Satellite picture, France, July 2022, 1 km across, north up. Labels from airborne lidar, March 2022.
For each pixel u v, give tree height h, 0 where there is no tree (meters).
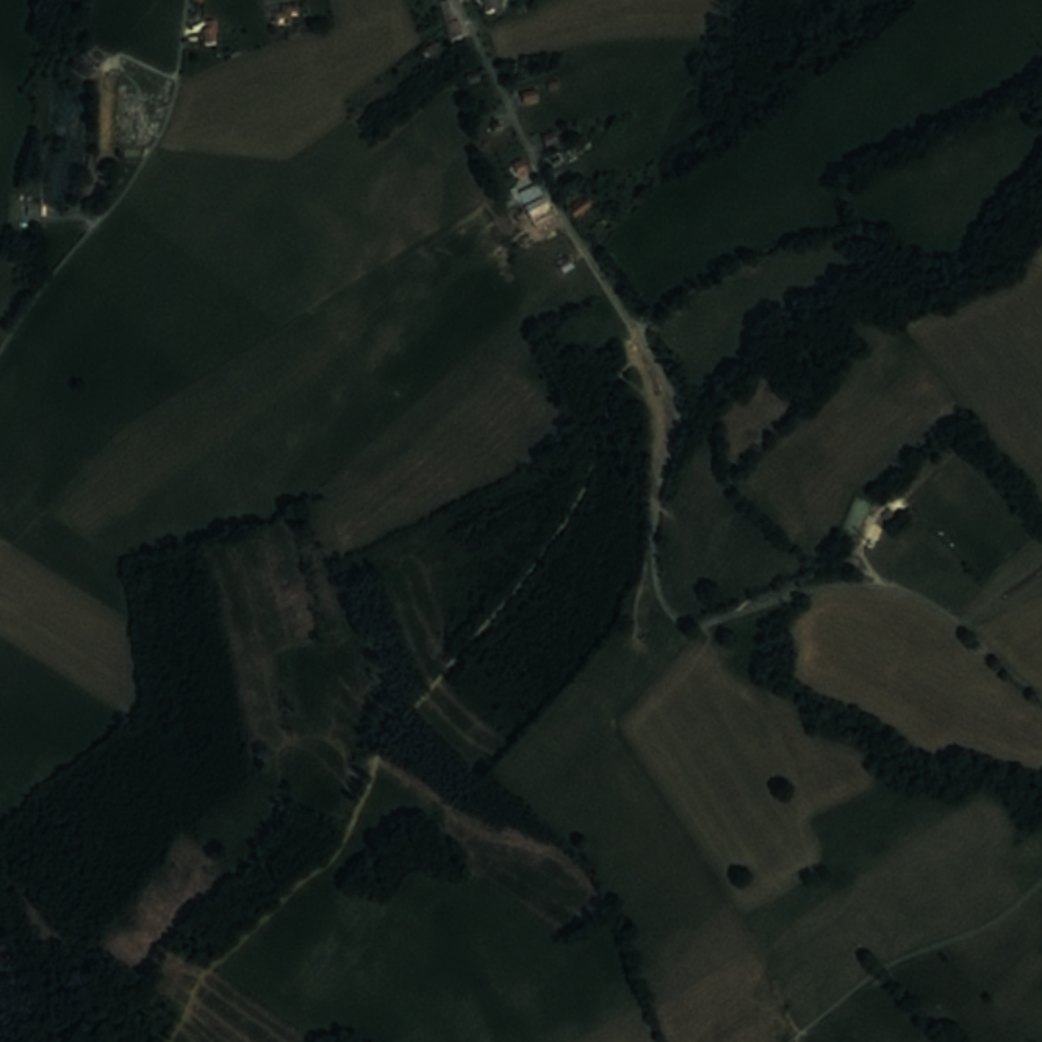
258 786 0
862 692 0
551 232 0
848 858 0
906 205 0
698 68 21
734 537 0
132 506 0
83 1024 24
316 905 0
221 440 0
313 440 0
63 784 7
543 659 6
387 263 0
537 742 0
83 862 7
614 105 0
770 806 0
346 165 0
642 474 13
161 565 10
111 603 0
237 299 0
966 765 23
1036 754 0
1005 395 0
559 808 0
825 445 0
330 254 0
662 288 0
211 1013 28
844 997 0
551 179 14
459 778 28
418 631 0
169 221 0
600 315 0
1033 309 0
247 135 0
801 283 0
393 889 6
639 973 14
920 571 0
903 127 0
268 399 0
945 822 0
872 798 0
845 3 34
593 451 16
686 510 0
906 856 0
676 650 0
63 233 0
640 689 0
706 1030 0
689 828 0
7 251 19
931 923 0
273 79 0
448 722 0
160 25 0
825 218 0
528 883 0
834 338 21
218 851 21
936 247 0
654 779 0
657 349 14
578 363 8
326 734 0
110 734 9
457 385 0
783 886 0
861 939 0
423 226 0
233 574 0
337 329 0
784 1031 0
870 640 0
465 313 0
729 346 0
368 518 0
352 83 0
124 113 0
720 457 16
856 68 0
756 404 0
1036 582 0
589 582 8
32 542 0
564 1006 0
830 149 0
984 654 0
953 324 0
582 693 0
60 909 11
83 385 15
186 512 0
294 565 0
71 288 0
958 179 0
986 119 24
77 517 0
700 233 0
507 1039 0
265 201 0
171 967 27
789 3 22
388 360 0
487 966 0
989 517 0
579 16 0
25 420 0
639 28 0
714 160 16
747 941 0
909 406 0
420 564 0
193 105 0
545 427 0
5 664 0
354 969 0
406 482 0
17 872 14
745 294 0
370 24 0
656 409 0
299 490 0
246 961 0
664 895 0
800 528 0
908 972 0
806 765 0
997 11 0
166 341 0
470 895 0
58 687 0
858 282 24
